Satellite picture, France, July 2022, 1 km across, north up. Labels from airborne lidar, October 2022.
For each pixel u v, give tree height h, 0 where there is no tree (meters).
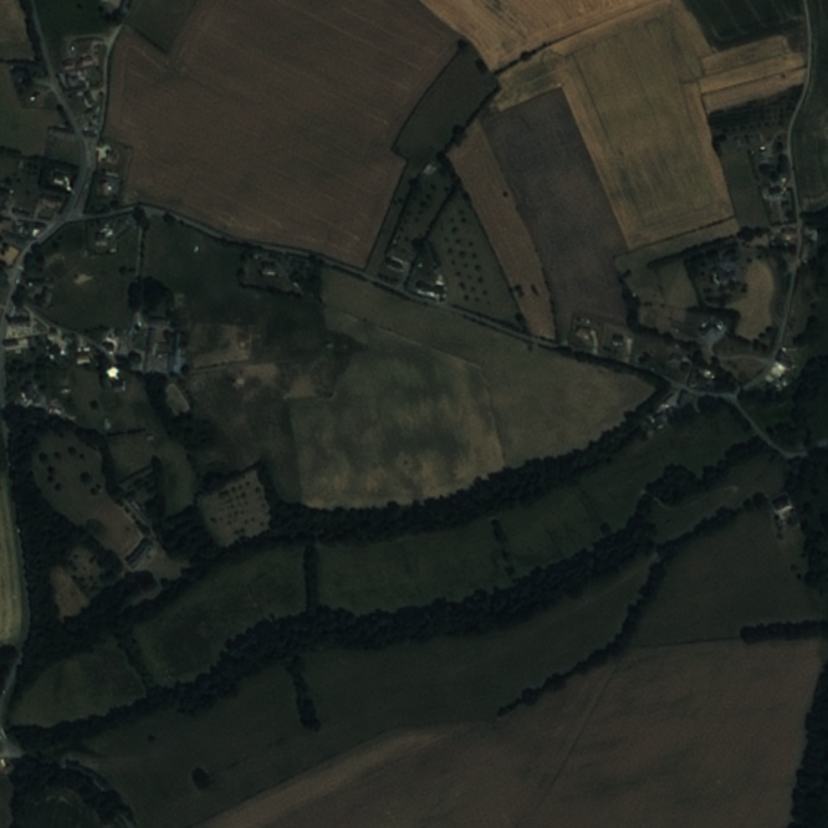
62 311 0
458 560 0
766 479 0
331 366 0
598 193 0
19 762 6
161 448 0
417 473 0
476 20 0
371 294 0
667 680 0
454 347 0
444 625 20
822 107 0
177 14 0
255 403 0
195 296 0
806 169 0
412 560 0
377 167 0
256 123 0
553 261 0
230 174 0
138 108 0
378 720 0
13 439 9
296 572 0
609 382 0
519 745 0
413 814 0
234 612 0
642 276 0
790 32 0
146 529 9
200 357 0
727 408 10
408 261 0
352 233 0
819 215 11
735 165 0
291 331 0
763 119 6
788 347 0
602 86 0
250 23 0
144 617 20
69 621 14
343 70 0
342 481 0
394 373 0
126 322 0
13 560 0
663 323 0
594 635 0
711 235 0
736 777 0
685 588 0
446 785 0
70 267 0
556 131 0
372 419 0
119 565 14
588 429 0
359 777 0
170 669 0
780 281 0
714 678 0
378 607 0
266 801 0
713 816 0
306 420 0
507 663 0
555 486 6
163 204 0
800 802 17
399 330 0
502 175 0
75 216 0
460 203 0
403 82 0
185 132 0
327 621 25
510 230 0
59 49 0
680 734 0
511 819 0
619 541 18
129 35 0
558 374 0
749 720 0
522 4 0
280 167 0
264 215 0
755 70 0
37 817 0
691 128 0
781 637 15
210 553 24
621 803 0
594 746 0
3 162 0
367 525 23
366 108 0
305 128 0
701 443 0
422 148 0
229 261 0
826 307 0
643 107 0
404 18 0
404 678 0
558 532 0
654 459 0
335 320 0
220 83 0
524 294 15
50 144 0
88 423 0
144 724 0
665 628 0
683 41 0
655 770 0
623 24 0
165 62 0
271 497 12
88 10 0
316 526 18
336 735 0
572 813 0
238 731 0
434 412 0
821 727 24
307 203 0
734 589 0
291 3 0
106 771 0
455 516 16
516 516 0
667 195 0
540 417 0
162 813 0
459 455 0
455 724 0
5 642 0
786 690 0
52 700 0
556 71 0
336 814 0
